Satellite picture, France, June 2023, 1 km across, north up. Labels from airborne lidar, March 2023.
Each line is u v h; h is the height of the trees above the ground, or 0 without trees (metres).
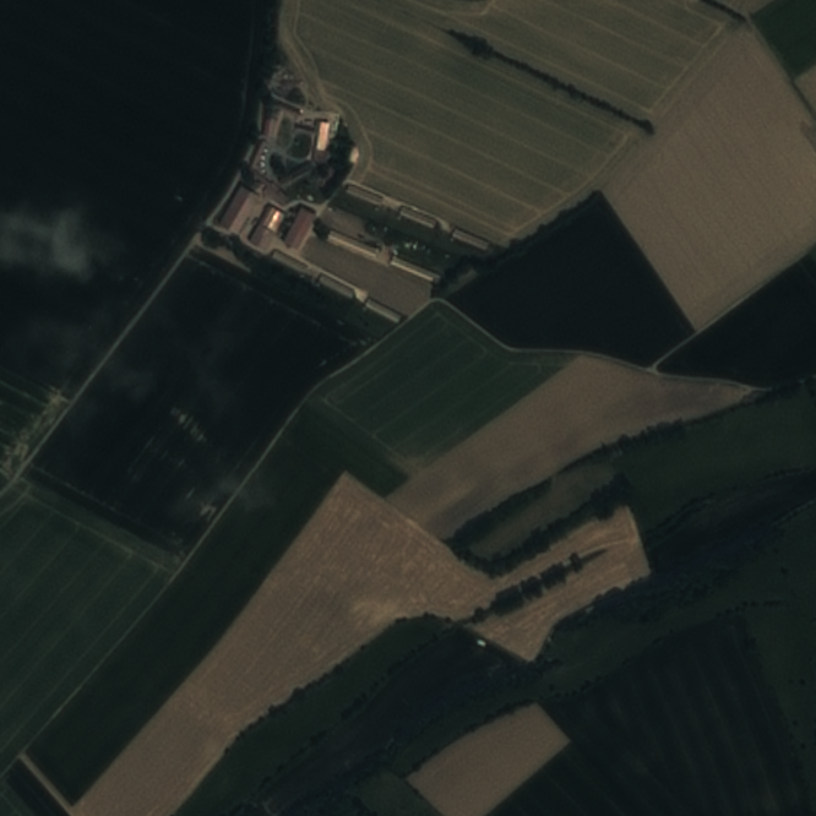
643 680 0
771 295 0
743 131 0
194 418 0
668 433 23
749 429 0
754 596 0
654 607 25
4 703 0
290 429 0
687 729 0
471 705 16
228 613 0
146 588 0
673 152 0
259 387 0
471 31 0
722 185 0
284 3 0
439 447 0
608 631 0
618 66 0
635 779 0
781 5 0
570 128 0
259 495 0
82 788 0
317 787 0
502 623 0
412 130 0
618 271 0
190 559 0
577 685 0
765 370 0
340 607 0
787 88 0
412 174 0
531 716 0
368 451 0
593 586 0
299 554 0
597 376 0
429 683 0
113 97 0
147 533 0
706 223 0
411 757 0
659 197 0
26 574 0
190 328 0
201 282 0
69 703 0
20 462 0
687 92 0
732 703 0
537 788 0
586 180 0
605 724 0
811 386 8
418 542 0
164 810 0
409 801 0
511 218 0
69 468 0
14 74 0
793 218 0
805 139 0
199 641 0
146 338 0
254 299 0
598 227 0
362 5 0
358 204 0
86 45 0
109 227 0
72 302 0
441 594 0
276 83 0
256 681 0
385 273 0
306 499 0
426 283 0
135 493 0
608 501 21
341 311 0
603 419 0
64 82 0
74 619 0
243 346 0
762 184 0
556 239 0
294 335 0
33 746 0
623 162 0
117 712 0
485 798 0
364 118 0
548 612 0
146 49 0
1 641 0
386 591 0
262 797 0
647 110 0
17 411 0
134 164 0
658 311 0
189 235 0
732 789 0
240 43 0
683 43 0
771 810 0
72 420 0
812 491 0
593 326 0
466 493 0
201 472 0
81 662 0
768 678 0
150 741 0
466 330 0
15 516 0
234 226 0
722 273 0
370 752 0
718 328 0
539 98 0
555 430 0
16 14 0
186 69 0
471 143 0
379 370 0
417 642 0
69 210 0
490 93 0
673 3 0
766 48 0
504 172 0
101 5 0
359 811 29
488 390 0
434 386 0
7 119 0
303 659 0
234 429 0
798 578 0
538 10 0
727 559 26
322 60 0
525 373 0
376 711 0
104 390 0
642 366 0
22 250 0
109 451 0
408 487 0
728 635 0
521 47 0
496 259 7
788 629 0
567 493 0
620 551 0
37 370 0
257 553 0
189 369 0
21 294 0
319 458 0
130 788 0
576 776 0
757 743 0
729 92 0
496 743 0
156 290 0
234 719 0
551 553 0
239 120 0
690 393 0
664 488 0
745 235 0
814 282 0
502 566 17
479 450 0
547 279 0
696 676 0
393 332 0
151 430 0
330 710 0
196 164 0
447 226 0
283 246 0
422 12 0
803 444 0
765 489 0
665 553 0
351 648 0
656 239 0
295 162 0
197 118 0
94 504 0
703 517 0
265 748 0
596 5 0
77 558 0
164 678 0
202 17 0
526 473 0
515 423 0
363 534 0
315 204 0
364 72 0
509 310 0
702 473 0
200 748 0
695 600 15
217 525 0
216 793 0
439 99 0
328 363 0
